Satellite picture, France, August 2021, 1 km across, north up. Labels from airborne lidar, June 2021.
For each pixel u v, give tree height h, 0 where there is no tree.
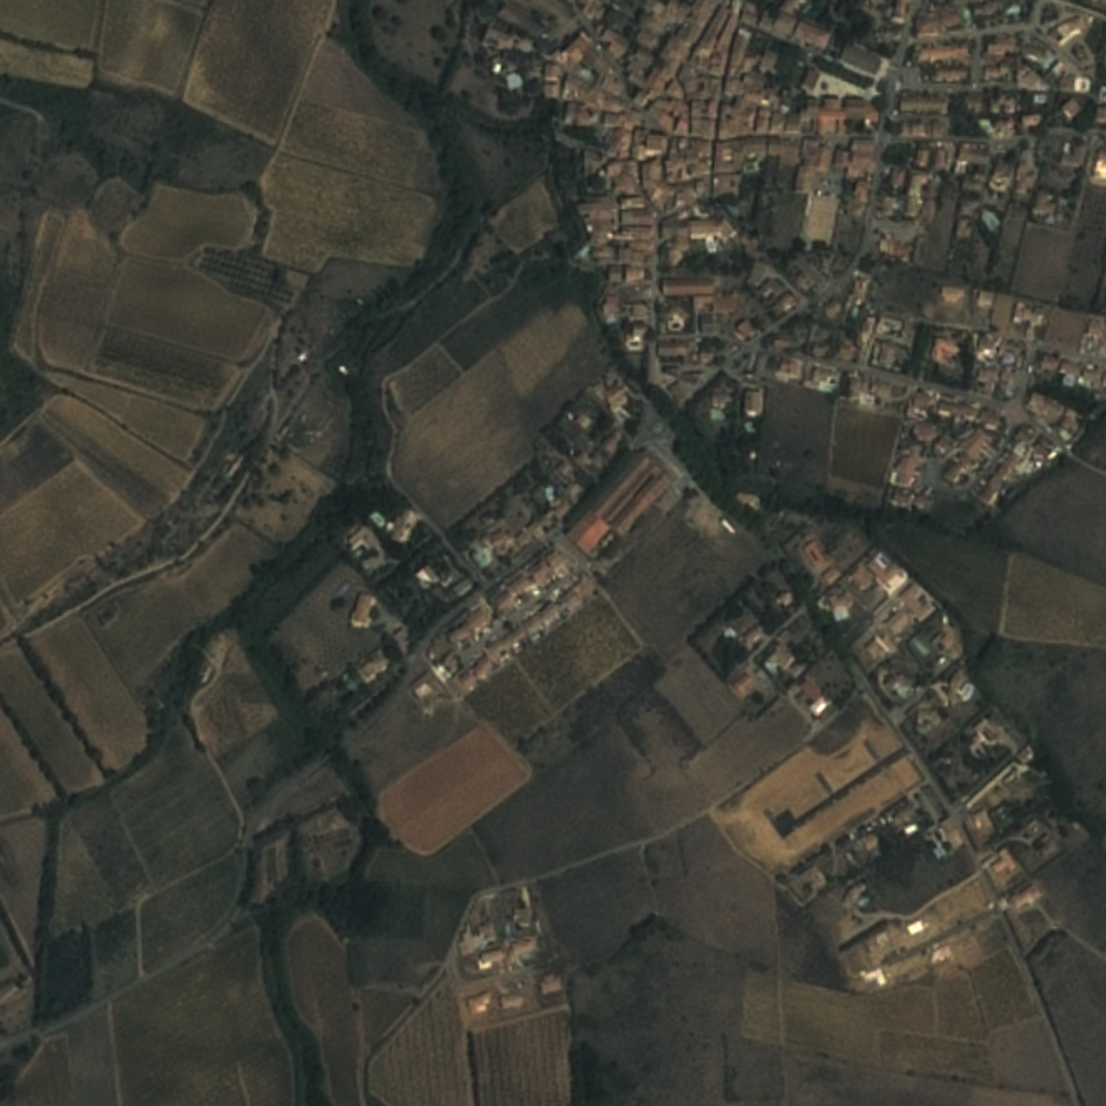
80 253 0
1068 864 0
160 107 0
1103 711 0
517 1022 0
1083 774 0
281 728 0
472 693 0
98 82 6
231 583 0
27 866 0
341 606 8
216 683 0
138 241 0
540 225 0
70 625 0
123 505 0
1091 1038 0
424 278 13
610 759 0
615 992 0
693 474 12
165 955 0
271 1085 0
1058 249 0
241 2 0
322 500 8
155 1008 0
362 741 0
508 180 0
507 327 0
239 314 0
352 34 5
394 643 9
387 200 0
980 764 9
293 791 0
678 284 0
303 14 0
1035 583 0
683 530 0
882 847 8
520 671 0
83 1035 0
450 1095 0
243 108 0
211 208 0
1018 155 9
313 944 0
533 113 6
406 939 0
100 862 0
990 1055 0
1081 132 10
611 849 0
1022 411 0
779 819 0
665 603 0
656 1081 0
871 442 0
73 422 0
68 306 0
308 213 0
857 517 7
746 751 0
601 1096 8
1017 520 0
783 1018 0
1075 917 0
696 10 0
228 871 0
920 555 0
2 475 0
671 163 0
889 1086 0
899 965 0
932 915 0
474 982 0
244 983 0
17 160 0
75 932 8
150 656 0
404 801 0
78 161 0
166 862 0
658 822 0
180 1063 0
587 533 0
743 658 10
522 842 0
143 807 0
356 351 11
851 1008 0
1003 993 0
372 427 13
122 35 0
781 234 0
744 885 0
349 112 0
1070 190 7
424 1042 0
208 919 0
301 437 0
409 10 0
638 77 0
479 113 8
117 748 0
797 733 0
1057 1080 0
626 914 0
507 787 0
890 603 0
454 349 0
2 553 0
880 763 0
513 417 0
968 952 0
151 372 0
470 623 0
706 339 7
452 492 0
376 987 0
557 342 0
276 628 7
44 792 0
